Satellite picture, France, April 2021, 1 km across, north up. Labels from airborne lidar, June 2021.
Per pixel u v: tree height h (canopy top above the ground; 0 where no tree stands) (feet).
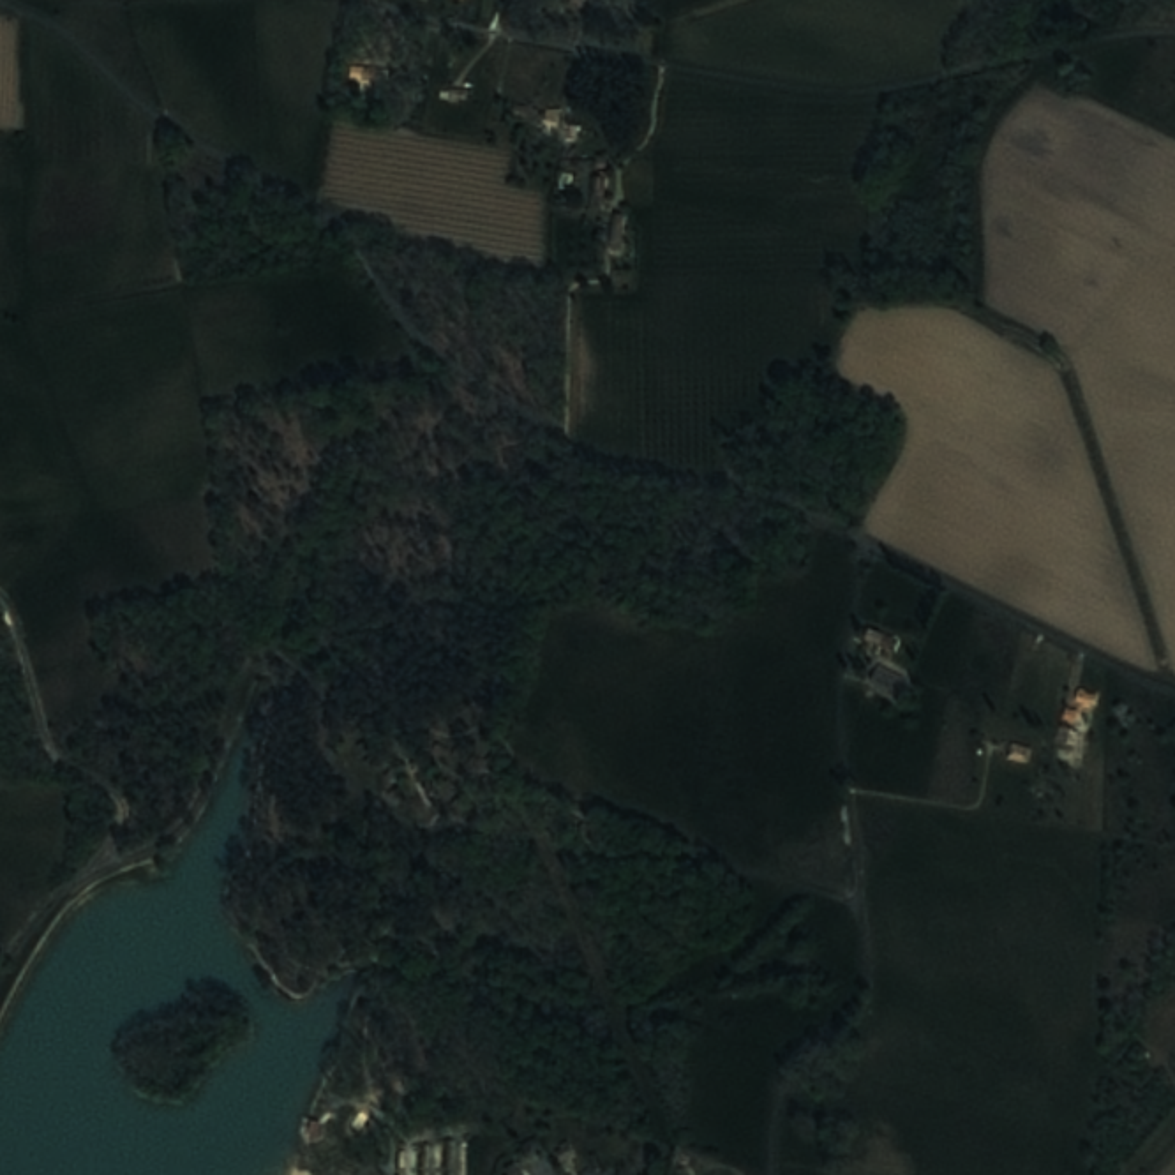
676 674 0
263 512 24
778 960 0
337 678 74
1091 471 0
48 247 0
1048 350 37
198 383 0
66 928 0
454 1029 62
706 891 69
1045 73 0
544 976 62
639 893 68
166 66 0
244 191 86
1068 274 0
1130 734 39
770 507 61
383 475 73
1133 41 0
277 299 0
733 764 0
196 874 0
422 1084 55
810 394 58
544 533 71
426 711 87
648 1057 70
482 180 0
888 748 0
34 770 56
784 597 0
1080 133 0
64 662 0
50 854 0
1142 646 0
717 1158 0
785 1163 0
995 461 0
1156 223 0
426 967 82
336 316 0
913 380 0
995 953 0
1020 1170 0
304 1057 0
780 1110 0
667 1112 35
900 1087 0
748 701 0
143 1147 0
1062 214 0
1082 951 0
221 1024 53
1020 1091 0
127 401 0
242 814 0
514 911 57
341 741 57
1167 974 47
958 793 0
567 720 0
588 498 77
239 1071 0
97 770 39
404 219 0
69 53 0
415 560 27
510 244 0
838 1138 52
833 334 0
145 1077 50
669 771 0
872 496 56
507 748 53
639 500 68
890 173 86
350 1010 37
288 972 40
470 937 70
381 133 51
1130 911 0
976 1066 0
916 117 30
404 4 0
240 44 0
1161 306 0
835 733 0
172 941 0
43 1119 0
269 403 47
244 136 0
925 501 0
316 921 40
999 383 0
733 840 0
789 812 0
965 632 0
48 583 0
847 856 0
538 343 62
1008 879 0
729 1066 0
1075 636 0
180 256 31
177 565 0
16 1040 0
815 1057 56
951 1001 0
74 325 0
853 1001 0
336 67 52
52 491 0
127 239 0
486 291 77
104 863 0
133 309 0
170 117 0
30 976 0
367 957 68
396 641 55
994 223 0
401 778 45
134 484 0
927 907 0
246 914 47
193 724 62
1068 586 0
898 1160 0
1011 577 0
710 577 71
